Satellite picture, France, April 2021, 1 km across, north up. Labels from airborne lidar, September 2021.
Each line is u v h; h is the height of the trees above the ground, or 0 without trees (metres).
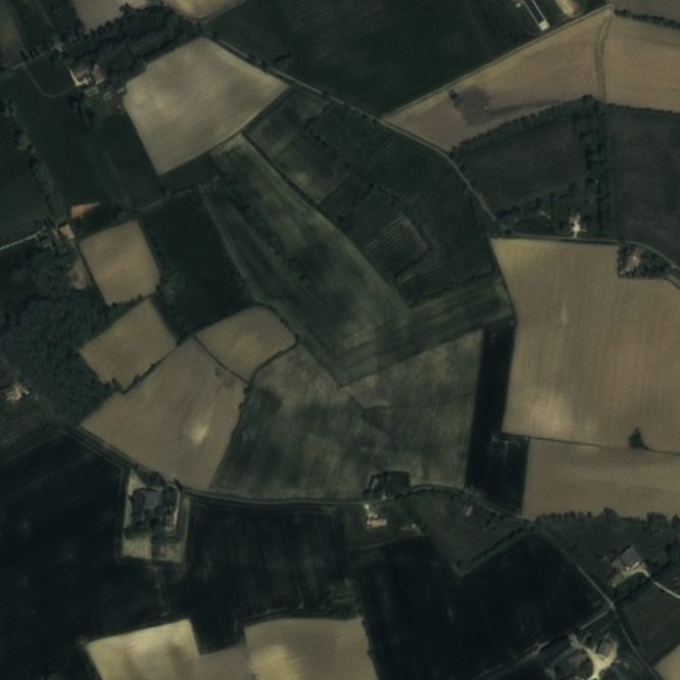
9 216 0
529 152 0
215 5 0
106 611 0
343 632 0
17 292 0
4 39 0
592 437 0
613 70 0
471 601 0
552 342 0
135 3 0
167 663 0
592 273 0
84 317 21
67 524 0
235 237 0
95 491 0
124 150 0
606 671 0
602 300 0
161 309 0
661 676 0
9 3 0
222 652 0
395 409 0
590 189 11
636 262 0
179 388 0
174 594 0
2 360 19
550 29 0
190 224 0
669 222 0
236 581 0
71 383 21
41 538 0
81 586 0
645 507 0
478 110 0
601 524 0
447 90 0
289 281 0
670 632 0
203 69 0
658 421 0
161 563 0
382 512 0
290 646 0
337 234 0
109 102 0
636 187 0
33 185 0
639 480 0
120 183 0
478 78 0
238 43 0
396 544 0
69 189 0
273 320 0
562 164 0
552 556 0
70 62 18
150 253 0
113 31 20
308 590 0
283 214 0
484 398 0
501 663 0
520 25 0
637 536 0
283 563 0
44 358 18
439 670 0
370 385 0
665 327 0
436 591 0
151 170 0
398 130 0
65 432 0
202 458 0
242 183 0
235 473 0
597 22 0
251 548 0
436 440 0
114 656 0
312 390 0
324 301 0
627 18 10
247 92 0
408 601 0
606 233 10
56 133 0
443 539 0
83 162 0
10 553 0
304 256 0
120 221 14
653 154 0
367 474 0
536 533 12
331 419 0
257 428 0
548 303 0
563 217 0
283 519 0
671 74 0
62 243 20
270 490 0
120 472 0
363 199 7
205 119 0
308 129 10
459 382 0
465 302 0
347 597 0
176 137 0
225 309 0
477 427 0
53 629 0
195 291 0
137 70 9
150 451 0
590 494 0
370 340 0
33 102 0
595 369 0
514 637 0
